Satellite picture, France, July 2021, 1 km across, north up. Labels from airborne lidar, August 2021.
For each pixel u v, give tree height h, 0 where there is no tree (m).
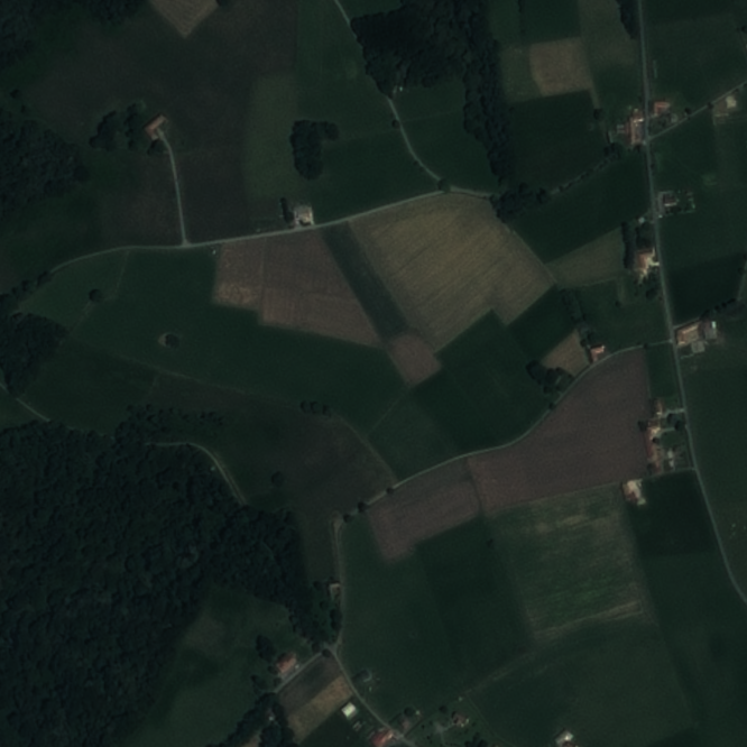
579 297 6
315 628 13
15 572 27
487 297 0
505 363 0
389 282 0
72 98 0
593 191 0
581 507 0
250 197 0
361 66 0
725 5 0
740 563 0
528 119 0
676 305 0
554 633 0
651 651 0
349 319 0
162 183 0
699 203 0
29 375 27
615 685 0
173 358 0
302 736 0
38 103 0
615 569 0
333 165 0
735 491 0
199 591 30
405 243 0
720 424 0
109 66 0
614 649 0
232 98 0
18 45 20
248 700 0
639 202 0
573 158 0
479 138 14
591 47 0
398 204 0
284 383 0
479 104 23
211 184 0
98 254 0
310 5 0
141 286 0
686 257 0
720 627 0
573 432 0
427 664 0
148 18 0
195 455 14
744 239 0
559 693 0
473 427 0
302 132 22
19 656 27
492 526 0
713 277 0
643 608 0
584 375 0
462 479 0
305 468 0
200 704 0
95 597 26
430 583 0
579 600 0
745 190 0
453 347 0
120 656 7
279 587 26
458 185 0
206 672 0
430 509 0
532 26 0
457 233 0
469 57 27
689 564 0
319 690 0
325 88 0
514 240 0
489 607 0
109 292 0
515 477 0
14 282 0
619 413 0
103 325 0
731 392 0
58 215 0
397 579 0
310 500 0
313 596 17
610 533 0
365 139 0
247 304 0
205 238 0
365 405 0
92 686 27
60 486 24
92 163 0
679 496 0
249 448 0
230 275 0
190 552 22
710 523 0
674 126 0
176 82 0
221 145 0
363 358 0
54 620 26
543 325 0
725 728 0
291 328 0
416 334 0
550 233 0
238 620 0
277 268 0
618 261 0
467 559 0
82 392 0
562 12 0
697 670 0
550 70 0
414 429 0
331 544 0
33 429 21
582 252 0
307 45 0
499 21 0
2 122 15
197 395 0
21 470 20
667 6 0
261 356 0
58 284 0
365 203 0
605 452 0
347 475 0
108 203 0
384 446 0
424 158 0
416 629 0
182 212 0
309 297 0
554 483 0
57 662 24
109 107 0
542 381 17
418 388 0
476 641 0
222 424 20
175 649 10
